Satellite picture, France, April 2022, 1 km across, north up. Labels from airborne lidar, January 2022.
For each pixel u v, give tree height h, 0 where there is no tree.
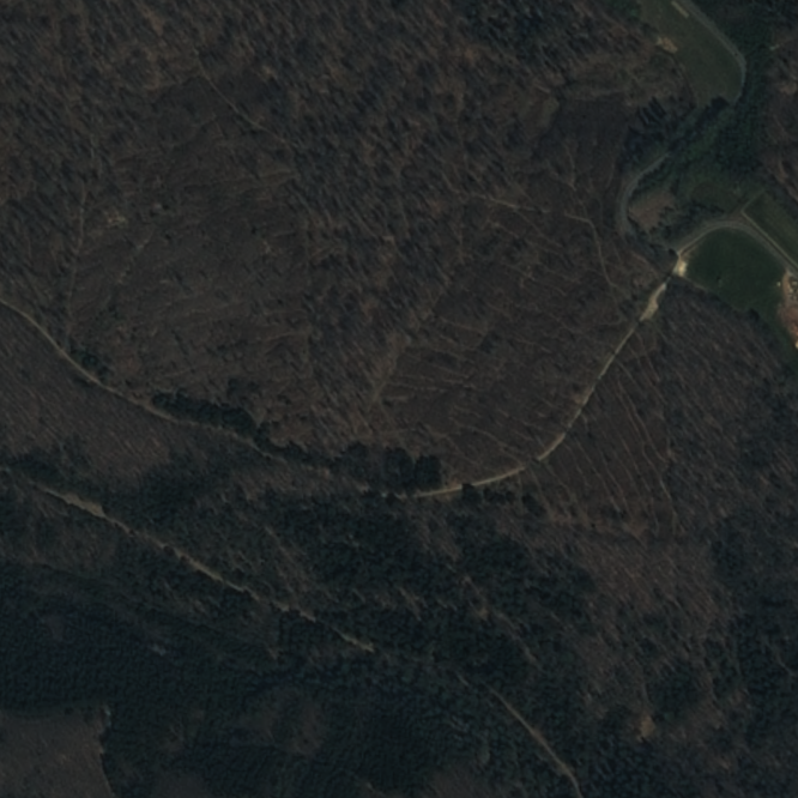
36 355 22
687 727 26
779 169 6
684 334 27
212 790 20
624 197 0
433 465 14
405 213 32
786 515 24
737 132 21
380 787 21
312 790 22
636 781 28
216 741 14
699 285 0
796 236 0
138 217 8
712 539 26
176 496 22
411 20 25
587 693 24
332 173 31
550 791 7
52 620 24
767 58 16
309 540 27
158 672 29
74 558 25
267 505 24
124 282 6
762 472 26
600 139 6
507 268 8
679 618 23
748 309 0
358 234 30
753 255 0
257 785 20
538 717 17
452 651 14
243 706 14
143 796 27
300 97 34
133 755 28
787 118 10
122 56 31
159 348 6
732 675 33
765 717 23
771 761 23
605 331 6
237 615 38
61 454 19
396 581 33
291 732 14
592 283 6
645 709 25
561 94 27
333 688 32
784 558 28
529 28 33
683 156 26
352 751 12
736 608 22
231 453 22
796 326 0
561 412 7
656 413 31
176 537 28
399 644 34
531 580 12
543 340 8
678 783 34
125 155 29
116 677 27
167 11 30
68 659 25
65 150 33
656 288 0
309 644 30
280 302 6
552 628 14
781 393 29
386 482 20
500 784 20
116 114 31
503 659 13
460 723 35
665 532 27
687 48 0
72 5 32
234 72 29
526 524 23
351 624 35
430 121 29
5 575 22
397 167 34
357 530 29
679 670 23
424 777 27
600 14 30
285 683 24
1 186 6
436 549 24
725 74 0
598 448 11
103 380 16
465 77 10
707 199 0
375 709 26
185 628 21
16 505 21
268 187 30
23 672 28
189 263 6
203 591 28
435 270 31
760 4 14
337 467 14
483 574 25
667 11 0
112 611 16
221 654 18
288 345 7
